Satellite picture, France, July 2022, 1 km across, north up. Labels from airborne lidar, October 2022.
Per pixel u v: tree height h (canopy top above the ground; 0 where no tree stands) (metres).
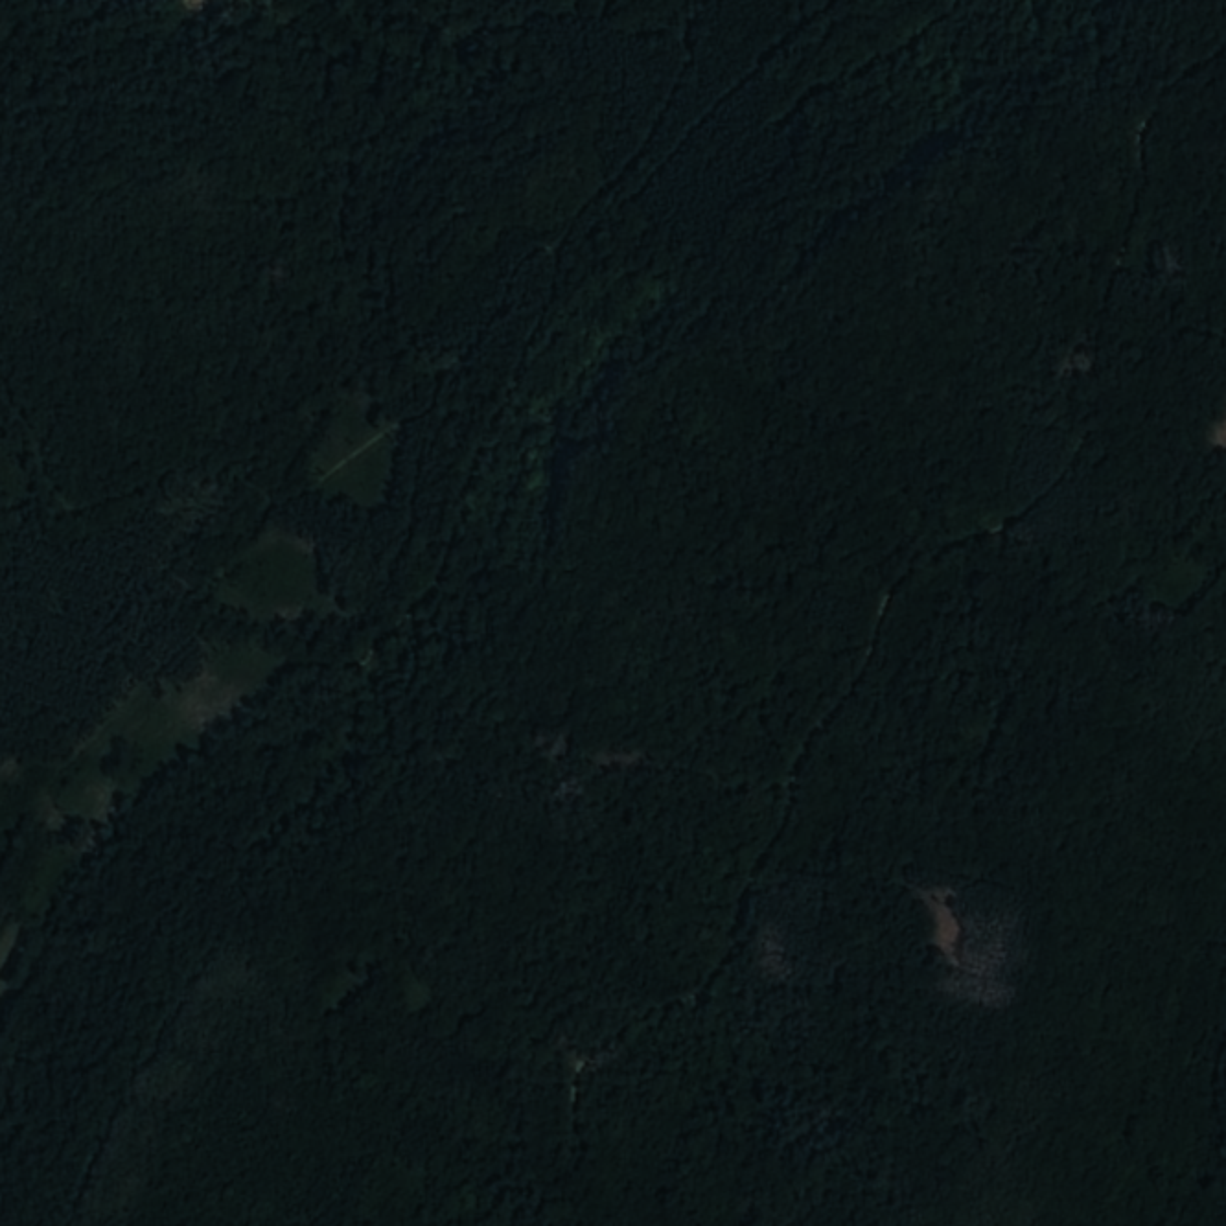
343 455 0
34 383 15
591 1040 21
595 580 13
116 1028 19
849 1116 11
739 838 15
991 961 17
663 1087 20
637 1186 11
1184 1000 10
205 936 15
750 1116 22
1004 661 20
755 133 20
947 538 9
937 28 15
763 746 19
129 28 18
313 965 18
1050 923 17
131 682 17
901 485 22
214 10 6
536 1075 22
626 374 8
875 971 13
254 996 8
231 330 18
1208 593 14
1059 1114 14
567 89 21
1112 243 11
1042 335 18
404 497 21
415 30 14
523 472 15
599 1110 13
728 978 18
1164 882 18
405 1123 10
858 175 25
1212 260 17
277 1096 11
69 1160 18
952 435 22
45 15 24
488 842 19
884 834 17
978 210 17
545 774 19
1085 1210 21
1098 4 10
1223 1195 7
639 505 22
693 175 18
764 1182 22
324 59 29
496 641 21
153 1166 9
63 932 19
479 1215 11
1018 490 12
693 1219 16
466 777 24
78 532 17
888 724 16
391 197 20
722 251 22
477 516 12
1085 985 19
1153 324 9
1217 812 15
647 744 24
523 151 19
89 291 17
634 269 20
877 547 18
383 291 18
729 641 22
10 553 14
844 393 18
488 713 12
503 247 21
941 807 14
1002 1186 10
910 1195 18
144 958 20
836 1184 17
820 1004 23
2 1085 22
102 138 20
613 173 24
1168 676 12
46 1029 19
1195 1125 7
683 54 22
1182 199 17
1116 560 19
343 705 23
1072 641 26
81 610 21
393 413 22
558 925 19
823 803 16
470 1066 17
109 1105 20
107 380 14
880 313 17
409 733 21
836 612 18
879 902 15
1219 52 16
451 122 21
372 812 24
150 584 16
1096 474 16
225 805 24
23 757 15
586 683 15
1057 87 19
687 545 20
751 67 20
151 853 20
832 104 22
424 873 15
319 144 17
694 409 17
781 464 17
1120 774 21
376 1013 18
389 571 16
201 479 20
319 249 15
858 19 27
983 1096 17
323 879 19
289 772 28
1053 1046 17
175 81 25
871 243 16
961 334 17
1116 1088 16
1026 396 15
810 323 17
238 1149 9
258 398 19
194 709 0
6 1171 22
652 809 19
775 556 23
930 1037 20
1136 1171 12
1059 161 19
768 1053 25
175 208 8
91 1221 7
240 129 26
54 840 21
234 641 17
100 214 10
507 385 10
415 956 9
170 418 17
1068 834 15
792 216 23
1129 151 17
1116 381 19
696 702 19
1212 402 15
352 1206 14
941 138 15
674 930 18
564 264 18
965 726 22
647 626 12
